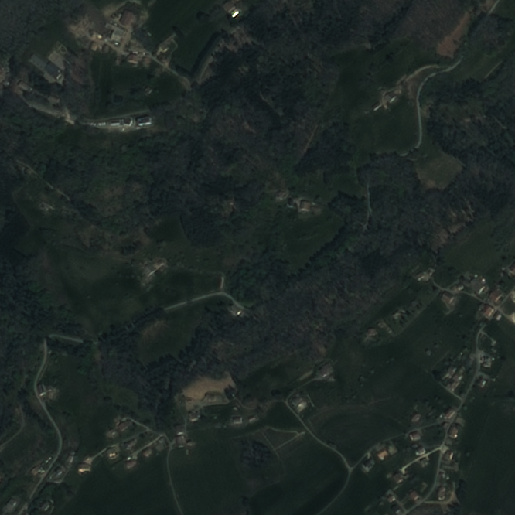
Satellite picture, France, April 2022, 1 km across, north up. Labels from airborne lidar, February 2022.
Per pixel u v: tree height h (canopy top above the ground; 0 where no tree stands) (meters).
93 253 14
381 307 19
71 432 0
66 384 0
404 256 22
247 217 22
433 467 0
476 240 0
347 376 0
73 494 10
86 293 0
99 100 14
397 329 0
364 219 23
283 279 21
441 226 22
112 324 0
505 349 0
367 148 0
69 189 20
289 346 29
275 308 27
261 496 0
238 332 27
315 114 33
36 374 7
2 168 18
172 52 0
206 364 32
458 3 32
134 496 0
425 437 0
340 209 26
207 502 0
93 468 0
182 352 0
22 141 15
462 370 0
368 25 30
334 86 27
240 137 31
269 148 29
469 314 0
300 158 28
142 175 21
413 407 0
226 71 25
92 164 21
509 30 26
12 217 28
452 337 0
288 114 17
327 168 27
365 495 0
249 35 24
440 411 0
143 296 0
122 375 28
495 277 0
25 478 13
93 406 0
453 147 8
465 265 0
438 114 23
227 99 16
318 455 0
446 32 30
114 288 0
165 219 29
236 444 0
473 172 21
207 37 0
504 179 23
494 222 12
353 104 0
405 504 0
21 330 34
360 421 0
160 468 0
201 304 0
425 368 0
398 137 0
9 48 15
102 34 0
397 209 26
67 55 0
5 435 33
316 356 31
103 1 0
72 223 17
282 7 25
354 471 0
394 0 33
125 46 0
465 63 20
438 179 0
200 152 22
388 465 0
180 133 21
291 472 0
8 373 33
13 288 26
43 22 15
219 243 31
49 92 25
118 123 0
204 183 28
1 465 26
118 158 13
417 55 0
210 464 0
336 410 0
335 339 24
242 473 0
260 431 0
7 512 0
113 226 13
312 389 0
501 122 21
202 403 0
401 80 0
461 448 0
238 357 8
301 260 0
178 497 0
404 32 30
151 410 27
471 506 0
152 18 0
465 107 30
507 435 0
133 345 28
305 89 5
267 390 0
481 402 0
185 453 0
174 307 0
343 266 22
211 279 0
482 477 0
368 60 0
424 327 0
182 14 0
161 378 30
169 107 22
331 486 0
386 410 0
